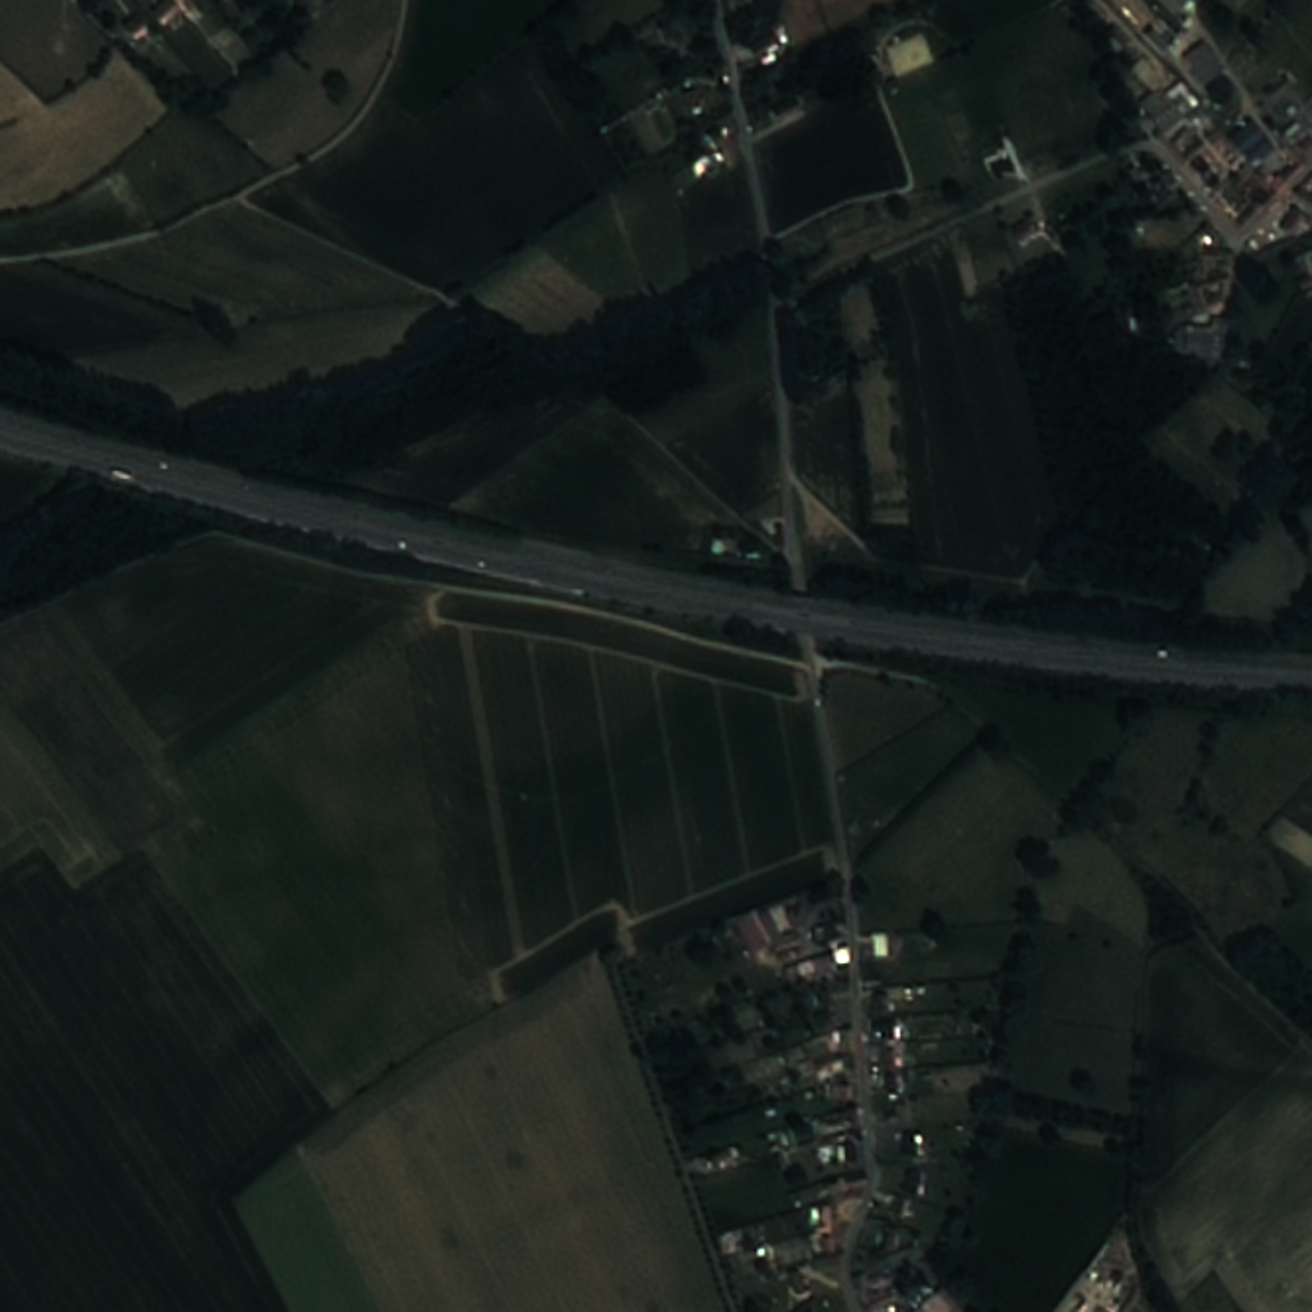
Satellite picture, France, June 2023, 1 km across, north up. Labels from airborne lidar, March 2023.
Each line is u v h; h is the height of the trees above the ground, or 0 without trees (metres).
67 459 0
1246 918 0
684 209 0
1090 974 0
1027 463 0
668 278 0
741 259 0
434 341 28
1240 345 17
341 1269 0
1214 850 0
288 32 11
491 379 14
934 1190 0
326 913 0
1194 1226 0
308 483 9
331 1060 0
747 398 0
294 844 0
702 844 0
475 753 0
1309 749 0
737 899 0
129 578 0
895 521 0
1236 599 0
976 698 0
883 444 0
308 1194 0
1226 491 0
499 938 0
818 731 0
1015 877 0
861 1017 0
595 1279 0
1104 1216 0
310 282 0
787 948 0
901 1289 15
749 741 0
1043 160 0
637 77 0
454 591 0
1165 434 0
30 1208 0
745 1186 0
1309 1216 0
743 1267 0
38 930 0
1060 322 16
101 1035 0
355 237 0
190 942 0
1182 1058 0
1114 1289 0
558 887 0
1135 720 21
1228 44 0
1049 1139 14
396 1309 0
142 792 0
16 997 0
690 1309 0
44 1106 0
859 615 0
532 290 0
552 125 0
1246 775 0
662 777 0
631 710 0
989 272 0
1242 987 0
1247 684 0
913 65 0
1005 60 0
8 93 0
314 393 19
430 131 0
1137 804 0
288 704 0
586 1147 0
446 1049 0
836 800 0
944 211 0
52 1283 0
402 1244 0
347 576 0
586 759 0
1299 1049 0
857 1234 0
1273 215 0
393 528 0
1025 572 0
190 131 0
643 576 0
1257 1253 0
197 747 0
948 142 0
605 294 0
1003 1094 19
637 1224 0
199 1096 0
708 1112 0
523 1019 0
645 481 0
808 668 0
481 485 0
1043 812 0
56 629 0
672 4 15
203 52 0
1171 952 0
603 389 9
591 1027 0
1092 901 0
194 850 0
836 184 0
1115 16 0
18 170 0
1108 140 15
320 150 0
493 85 0
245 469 8
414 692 0
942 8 0
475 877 0
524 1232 0
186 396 0
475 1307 0
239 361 0
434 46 0
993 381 0
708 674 0
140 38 0
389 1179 0
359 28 0
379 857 0
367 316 0
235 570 0
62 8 0
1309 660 0
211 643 0
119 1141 0
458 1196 0
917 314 0
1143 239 0
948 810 0
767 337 0
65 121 0
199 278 0
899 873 0
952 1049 0
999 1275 0
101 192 0
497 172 0
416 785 0
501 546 0
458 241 0
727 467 0
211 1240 0
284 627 0
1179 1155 0
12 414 0
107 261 0
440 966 0
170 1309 0
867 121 0
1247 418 0
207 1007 0
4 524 0
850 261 0
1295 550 0
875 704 0
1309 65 0
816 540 0
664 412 0
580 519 0
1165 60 0
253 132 0
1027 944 15
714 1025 8
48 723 0
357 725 0
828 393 0
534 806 0
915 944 0
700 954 16
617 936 0
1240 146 0
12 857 0
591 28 0
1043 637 0
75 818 0
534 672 0
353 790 0
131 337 0
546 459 0
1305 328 0
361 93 0
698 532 0
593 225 0
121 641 0
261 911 0
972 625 0
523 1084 0
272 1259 0
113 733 0
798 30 0
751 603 0
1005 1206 0
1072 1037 0
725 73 0
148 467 0
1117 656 0
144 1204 0
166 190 0
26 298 0
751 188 0
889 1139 0
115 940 0
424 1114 0
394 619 0
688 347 23
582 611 0
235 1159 0
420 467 0
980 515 0
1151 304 17
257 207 0
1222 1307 0
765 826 0
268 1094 0
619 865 0
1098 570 17
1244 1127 0
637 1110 0
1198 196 0
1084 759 0
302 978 0
